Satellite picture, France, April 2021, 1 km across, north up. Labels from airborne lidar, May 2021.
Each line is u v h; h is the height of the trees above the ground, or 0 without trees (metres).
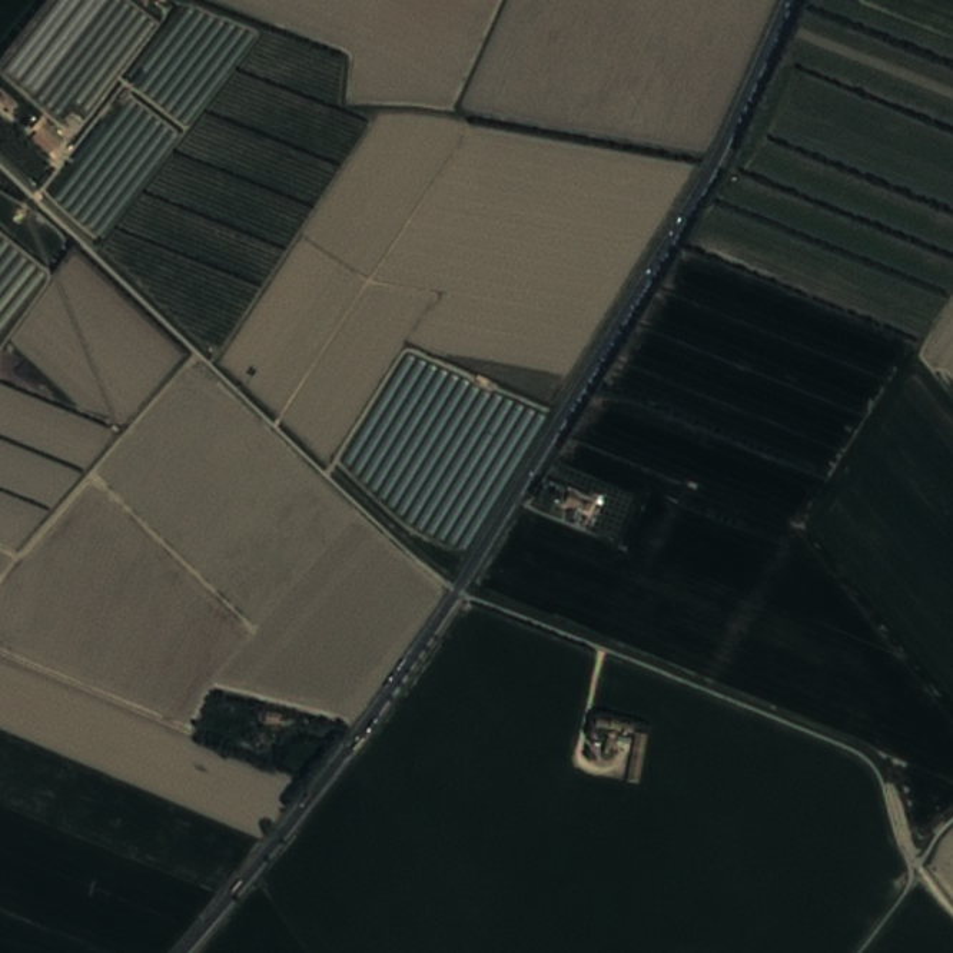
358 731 0
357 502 0
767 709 0
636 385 0
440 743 0
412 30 0
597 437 0
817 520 0
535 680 0
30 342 0
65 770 0
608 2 0
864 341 0
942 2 0
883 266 11
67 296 0
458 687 0
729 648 0
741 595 0
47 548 0
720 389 0
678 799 0
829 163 14
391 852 0
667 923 0
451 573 0
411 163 0
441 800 0
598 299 0
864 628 0
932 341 0
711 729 0
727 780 0
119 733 0
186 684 0
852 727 0
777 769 0
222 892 0
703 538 0
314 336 0
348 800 0
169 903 0
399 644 0
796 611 0
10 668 0
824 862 0
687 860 0
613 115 0
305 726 6
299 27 0
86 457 0
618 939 0
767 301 0
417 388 0
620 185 0
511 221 0
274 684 0
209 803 0
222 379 0
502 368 0
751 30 0
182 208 8
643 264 0
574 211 0
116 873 0
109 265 0
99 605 0
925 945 0
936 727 0
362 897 0
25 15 0
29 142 11
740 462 0
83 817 0
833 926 0
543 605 0
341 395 0
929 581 0
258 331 0
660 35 0
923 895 0
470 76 0
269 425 0
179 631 0
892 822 0
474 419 0
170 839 0
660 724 0
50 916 0
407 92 0
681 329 0
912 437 0
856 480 0
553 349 0
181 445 0
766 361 0
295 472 0
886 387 0
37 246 0
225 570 0
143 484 0
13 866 0
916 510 0
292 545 0
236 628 0
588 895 0
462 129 0
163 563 0
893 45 16
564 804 0
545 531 0
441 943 0
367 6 0
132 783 0
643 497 0
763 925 0
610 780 0
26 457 0
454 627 0
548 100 0
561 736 0
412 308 0
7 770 0
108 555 0
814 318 0
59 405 9
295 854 0
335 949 0
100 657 0
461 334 0
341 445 0
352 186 0
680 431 0
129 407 0
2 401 0
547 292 0
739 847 0
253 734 8
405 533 0
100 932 0
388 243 0
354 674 0
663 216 0
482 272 0
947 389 0
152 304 0
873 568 0
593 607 0
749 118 12
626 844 0
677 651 0
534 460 0
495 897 0
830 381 0
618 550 0
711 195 10
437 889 0
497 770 0
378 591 0
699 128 0
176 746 0
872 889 0
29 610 0
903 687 0
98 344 0
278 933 0
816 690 0
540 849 0
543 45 0
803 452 0
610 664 0
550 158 0
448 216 0
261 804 0
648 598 0
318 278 0
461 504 0
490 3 0
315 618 0
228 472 0
